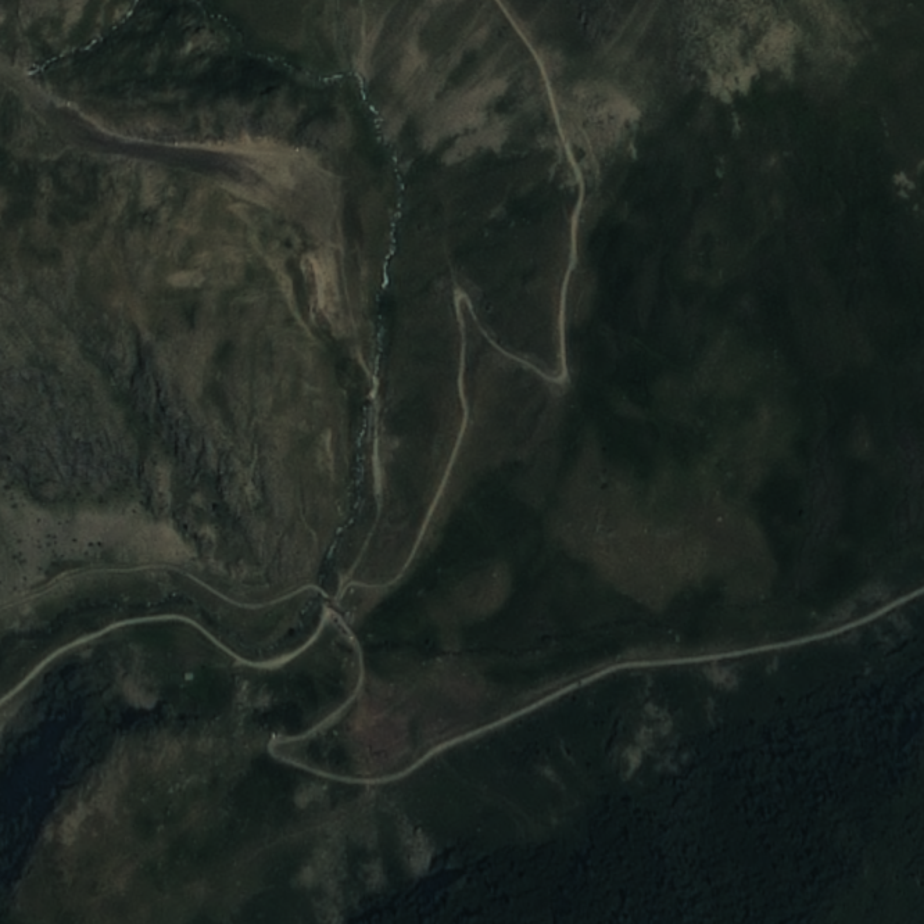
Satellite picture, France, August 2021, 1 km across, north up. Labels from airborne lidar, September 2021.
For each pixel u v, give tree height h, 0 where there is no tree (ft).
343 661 0
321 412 0
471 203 0
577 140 0
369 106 0
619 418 0
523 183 0
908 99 0
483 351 0
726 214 0
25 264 0
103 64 0
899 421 0
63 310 0
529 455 0
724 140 0
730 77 0
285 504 0
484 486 0
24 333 0
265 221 0
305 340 0
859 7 0
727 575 0
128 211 0
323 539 0
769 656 0
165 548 0
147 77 0
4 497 0
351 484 0
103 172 0
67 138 0
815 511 0
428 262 0
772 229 0
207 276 0
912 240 0
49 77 0
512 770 0
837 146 0
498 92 0
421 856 0
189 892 0
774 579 0
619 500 0
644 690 0
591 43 0
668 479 0
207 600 0
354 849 0
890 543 0
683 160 0
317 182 0
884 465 0
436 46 0
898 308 0
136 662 0
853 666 0
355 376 0
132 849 0
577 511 0
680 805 0
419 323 0
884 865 0
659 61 0
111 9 0
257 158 0
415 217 0
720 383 0
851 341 0
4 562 0
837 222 0
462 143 0
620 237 0
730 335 0
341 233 0
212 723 0
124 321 0
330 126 0
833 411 0
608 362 0
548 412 0
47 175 0
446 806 0
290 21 0
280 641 0
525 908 24
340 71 0
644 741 0
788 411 0
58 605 0
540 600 0
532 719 0
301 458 0
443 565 0
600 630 0
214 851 0
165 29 0
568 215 0
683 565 0
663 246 0
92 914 0
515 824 0
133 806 0
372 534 0
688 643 0
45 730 0
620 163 0
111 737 0
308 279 0
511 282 0
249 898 0
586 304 0
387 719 0
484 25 0
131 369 0
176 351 0
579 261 0
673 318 0
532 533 0
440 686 0
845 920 0
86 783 0
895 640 0
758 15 0
